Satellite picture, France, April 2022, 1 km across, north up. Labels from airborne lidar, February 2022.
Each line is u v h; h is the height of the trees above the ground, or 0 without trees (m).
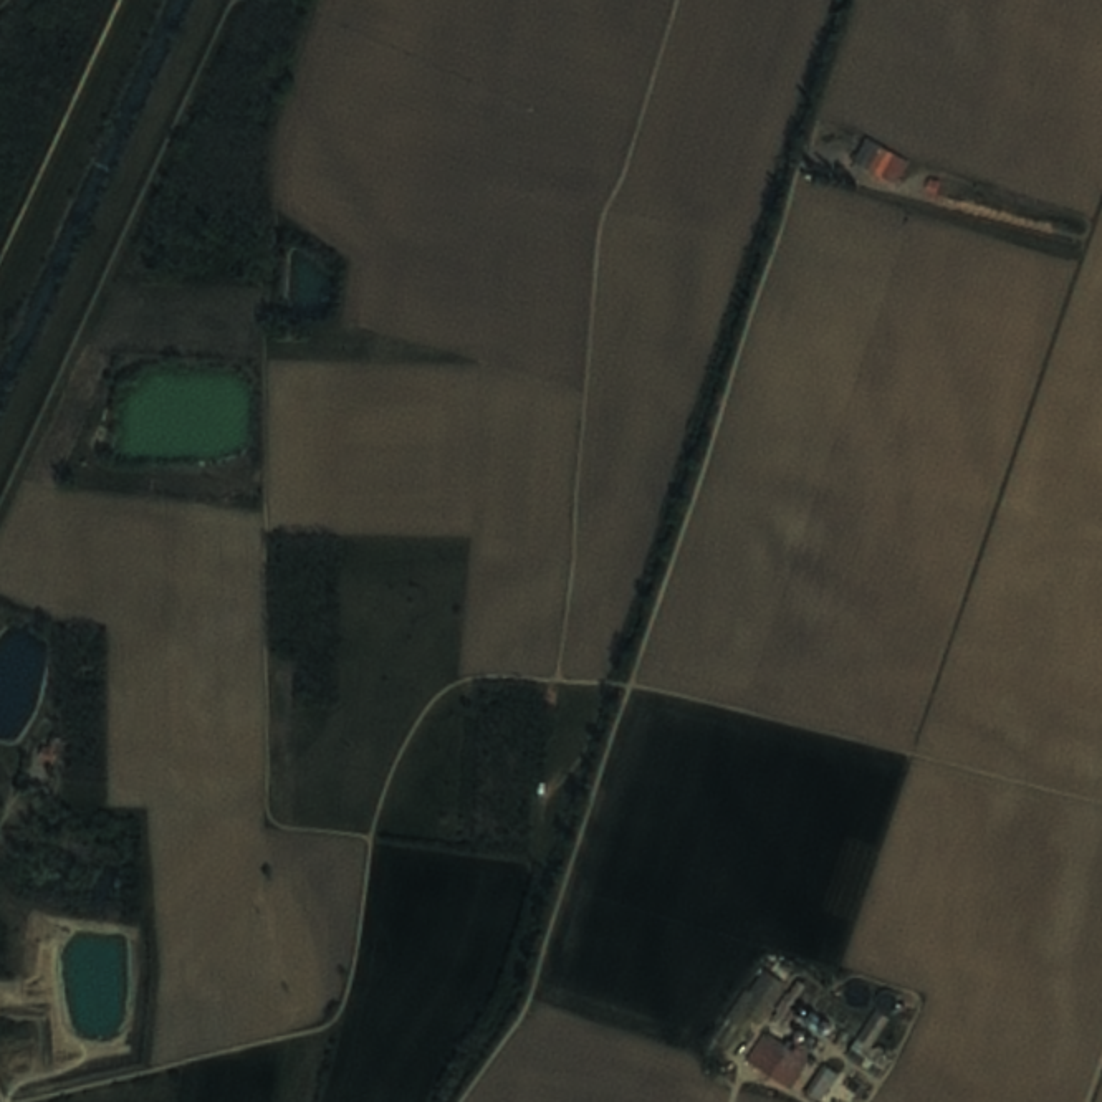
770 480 0
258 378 13
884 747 0
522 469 0
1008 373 0
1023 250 0
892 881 0
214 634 0
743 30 0
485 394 0
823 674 0
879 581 0
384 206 0
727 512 0
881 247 0
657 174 0
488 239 0
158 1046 0
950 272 0
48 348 0
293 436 0
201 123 15
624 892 0
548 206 0
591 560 0
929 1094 0
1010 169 0
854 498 0
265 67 15
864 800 0
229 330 0
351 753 0
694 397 0
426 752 0
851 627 0
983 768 0
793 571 0
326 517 0
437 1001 0
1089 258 0
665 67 0
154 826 0
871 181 0
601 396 0
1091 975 0
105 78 0
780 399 0
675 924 0
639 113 0
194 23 0
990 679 0
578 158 0
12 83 15
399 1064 0
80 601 0
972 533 0
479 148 0
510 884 0
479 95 0
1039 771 0
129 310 0
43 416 0
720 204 0
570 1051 0
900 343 0
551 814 0
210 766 0
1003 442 0
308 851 0
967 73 0
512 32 0
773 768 0
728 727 0
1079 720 0
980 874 0
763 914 0
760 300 0
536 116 0
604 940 0
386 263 0
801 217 0
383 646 0
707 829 0
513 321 0
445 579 0
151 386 0
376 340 0
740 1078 0
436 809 0
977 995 0
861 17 0
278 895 0
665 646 0
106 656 11
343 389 0
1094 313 0
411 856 0
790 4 0
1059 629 0
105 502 0
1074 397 0
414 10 0
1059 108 0
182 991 0
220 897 0
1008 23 0
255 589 0
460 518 0
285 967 0
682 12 0
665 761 0
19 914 0
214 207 20
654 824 0
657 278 0
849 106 0
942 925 0
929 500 0
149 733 0
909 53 0
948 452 0
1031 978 0
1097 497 0
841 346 0
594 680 0
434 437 0
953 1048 0
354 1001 0
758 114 0
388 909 0
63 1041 0
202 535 0
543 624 0
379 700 0
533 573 0
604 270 0
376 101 0
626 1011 0
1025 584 0
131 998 0
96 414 0
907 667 0
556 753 0
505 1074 0
